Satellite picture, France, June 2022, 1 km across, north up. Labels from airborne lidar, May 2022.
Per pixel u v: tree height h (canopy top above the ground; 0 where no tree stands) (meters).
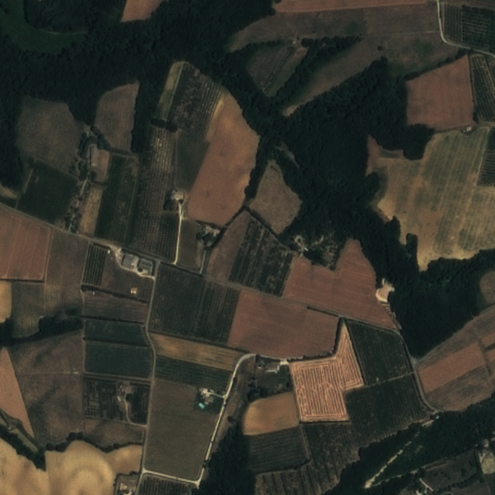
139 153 14
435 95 0
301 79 15
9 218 0
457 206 0
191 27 18
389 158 0
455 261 9
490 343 0
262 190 0
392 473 12
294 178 7
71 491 0
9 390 0
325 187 11
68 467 0
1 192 0
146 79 17
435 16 0
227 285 0
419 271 11
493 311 0
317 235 7
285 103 10
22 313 0
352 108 19
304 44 13
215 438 0
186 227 0
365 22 0
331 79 0
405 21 0
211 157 0
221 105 0
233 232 0
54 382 0
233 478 19
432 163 0
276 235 8
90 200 0
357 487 16
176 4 19
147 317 0
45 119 0
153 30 16
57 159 0
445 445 11
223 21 16
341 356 0
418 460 12
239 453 12
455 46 0
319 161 12
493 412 15
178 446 0
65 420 0
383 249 16
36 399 0
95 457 0
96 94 15
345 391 0
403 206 0
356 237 15
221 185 0
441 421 12
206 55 24
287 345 0
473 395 0
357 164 10
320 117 21
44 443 0
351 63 0
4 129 13
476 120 11
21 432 0
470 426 17
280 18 0
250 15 13
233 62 25
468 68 0
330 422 9
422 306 16
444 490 9
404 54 0
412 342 17
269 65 0
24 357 0
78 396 0
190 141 0
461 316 16
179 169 0
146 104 20
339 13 0
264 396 13
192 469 0
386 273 15
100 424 0
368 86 21
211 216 0
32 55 16
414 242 12
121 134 0
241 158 0
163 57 17
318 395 0
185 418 0
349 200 15
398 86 15
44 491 0
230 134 0
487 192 0
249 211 10
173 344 0
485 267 14
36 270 0
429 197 0
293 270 0
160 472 0
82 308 0
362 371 7
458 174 0
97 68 17
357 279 0
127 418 0
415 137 24
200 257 0
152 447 0
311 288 0
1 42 20
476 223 0
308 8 0
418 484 11
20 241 0
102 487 0
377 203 0
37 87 20
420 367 0
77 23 23
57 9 12
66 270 0
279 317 0
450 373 0
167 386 0
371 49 0
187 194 0
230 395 0
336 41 11
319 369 0
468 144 0
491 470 0
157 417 0
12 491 0
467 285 21
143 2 0
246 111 16
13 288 0
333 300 0
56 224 0
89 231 0
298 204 0
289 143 19
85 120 15
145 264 0
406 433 13
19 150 9
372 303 0
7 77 15
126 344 13
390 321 0
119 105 0
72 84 18
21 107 10
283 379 0
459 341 0
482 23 7
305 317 0
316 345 0
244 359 0
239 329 0
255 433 0
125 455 0
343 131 18
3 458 0
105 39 14
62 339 0
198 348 0
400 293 17
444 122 0
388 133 24
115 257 0
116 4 11
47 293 0
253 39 0
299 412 0
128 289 0
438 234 0
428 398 0
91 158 0
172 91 0
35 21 24
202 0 19
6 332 16
